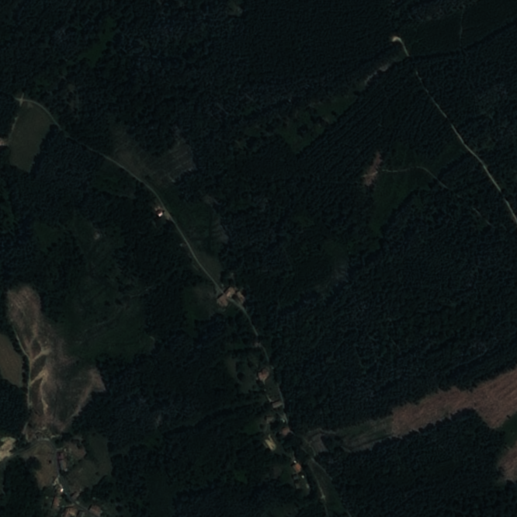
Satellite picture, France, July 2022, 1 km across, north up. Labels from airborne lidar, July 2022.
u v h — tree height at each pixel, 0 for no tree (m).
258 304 21
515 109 18
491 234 19
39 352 0
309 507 6
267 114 24
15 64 18
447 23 9
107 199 32
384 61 26
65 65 17
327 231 8
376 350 18
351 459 18
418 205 6
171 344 24
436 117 22
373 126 18
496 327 17
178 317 9
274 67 20
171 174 0
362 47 21
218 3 26
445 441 17
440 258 14
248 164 15
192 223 0
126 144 0
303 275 7
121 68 8
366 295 24
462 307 18
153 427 33
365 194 17
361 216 27
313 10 14
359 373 24
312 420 24
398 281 20
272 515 0
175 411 29
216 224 0
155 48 12
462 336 20
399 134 19
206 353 28
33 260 42
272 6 20
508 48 25
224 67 26
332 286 0
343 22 22
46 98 16
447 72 20
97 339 0
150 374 26
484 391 0
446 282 16
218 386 8
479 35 8
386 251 20
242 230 26
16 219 9
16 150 0
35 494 8
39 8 24
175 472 19
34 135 0
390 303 25
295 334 20
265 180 11
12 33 13
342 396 22
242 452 13
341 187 16
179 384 23
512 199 22
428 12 28
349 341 16
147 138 24
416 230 21
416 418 0
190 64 13
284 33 20
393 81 14
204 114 28
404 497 25
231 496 22
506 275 21
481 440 7
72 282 7
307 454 13
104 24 13
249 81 23
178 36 30
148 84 22
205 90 22
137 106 9
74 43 25
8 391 31
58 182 16
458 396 0
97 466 0
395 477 17
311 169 17
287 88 30
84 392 0
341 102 0
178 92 14
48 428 0
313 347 13
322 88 22
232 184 23
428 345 25
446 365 22
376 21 20
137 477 19
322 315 23
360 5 21
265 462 6
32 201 24
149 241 9
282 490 25
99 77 12
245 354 19
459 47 7
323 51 21
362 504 24
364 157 18
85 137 9
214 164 29
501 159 13
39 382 0
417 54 7
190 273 10
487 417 0
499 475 26
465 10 7
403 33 7
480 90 17
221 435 20
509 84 18
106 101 13
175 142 19
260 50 20
